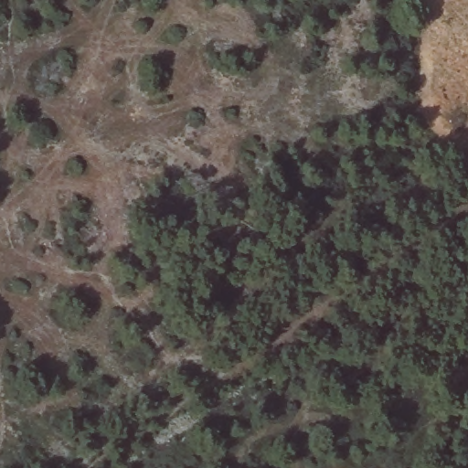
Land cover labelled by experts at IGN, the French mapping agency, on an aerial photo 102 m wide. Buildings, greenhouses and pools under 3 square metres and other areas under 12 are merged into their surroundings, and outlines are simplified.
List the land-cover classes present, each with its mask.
<instances>
[{"label":"coniferous trees","instance_id":"1","mask_svg":"<svg viewBox=\"0 0 468 468\"><path fill-rule=\"evenodd\" d=\"M101 0H0V40H7L9 18L24 24L27 37H37L38 33H53L58 27L69 26L73 22L75 7H82V11L88 13L95 9V5ZM241 7L249 13L250 20L254 22L258 37L265 33V24H272L282 33L296 29L305 31L311 51L303 58L302 73H309L327 64V33L333 27L340 26L342 15L351 13L360 0H239ZM444 0H367L375 18L378 46L377 51L356 49L353 53L355 75L362 79L391 77L399 86L395 91H391L389 97L382 99L377 106L358 110L353 115H338L331 121L316 122L318 128H322L324 132L325 143H318L313 152H307L305 139L302 137L294 143V154L282 150L274 152V163L265 170V179H258L254 185H245L243 175H227L219 181L214 166L197 168L192 163H183L179 168L168 166L163 172L168 177V185L159 186V196L144 197L143 205H139L128 216V243L115 250V256L124 265H132L133 276L143 274L144 280L154 287V296L148 302V313L161 314L163 318L161 324L155 325L150 333L141 331L135 324L124 325L130 311L119 305L113 307L108 318V346L112 347L113 358L119 362L124 375L141 380L144 386L143 389L135 391L132 400L126 399V395H121L119 406H113L110 411L102 409L99 424L84 422L82 433L90 441V450L102 448L104 444L115 446L110 450L112 453L108 461H104L99 468H205L201 455L196 453V448L188 446L177 435L165 444L155 442V437L161 435V430L168 426L170 420L181 415H190L197 424L207 417V413L199 395L186 388L185 375H179L181 364H168L163 358V353L179 351L185 346L183 336H194L197 331L205 335L207 340H212L214 322L219 314L223 313L229 318L227 333L221 338L219 346L212 349V353H225L230 362L249 360L250 355L263 356V373L271 375L272 380L276 377L294 375L305 378V384L313 388L316 408L327 409L335 415L346 417L349 420V433L356 439L369 441L366 444L369 453L377 452L378 446H395L397 431L413 430L419 408L415 400L406 399L402 393H424L426 402L422 404V408H426L431 417L437 420L435 426V431L444 441V446H437L439 457L431 468H468V126H457L448 135H437L433 132V121L439 115V108L422 106L420 102V88L424 86V75L420 73L422 31L441 16ZM13 139L5 132L4 119L0 112V163L2 154L9 148ZM11 175L0 168V205L9 194ZM93 201L90 197L75 194L68 207L60 208L64 238L57 239L55 236L53 219L46 221L44 236L51 239V243L62 256L68 258L71 269L90 271L97 261L102 260L104 254L101 250H88L97 239L86 234ZM101 309V294L86 285H60L57 292L49 298V316L53 324L62 327L64 331L82 335L91 318ZM27 369L35 371L31 377V384L42 399L48 397L51 388H58L60 393L75 389L84 393L82 406L97 408V400L110 397L112 388L119 384V378L112 375L101 377L95 371L97 358L91 355L90 351L77 349L75 355L69 356L66 362L51 355H40L37 360H29L26 364Z\"/></svg>","mask_w":468,"mask_h":468},{"label":"herbaceous vegetation","instance_id":"2","mask_svg":"<svg viewBox=\"0 0 468 468\"><path fill-rule=\"evenodd\" d=\"M117 0H101L95 5V9L88 13L82 11V7H75L73 22L69 26L58 27L53 33H38L37 37H27L24 24L9 18L7 40H0V112L4 119L9 117V112L15 108L16 117L29 122L24 128V133L13 139L9 148L2 154L0 163V168L11 175L9 194L0 205V448L5 439V431L11 437H18L20 433H31L53 455L66 457L69 461L80 459L86 468H99L104 461H108L112 453L110 450L115 446L104 444L102 448L90 450V441L82 433L84 422L99 424L102 409L110 411L113 406H119L121 395H126V399L132 400L135 391L143 389L144 386L141 380L124 375L119 362L113 358L112 347L108 346V318L113 307L119 305L130 311L124 325L135 324L141 331L150 333L155 325L161 324L163 318L161 314L148 313V302L154 296V287L144 280L143 274L133 276L132 265H124L115 256V250L128 243V216L139 205H143L144 197L159 196V186L168 185V177L163 172L168 166L179 168L183 163H192L197 168L214 166L219 181L227 175H243L245 185H254L258 179H265V170L274 163V152L282 150L294 154V143L302 137L305 139L307 152H313L318 143H325L324 132L322 128H318L316 122L331 121L338 115H353L358 110L377 106L382 99L389 97L391 91H395L399 86L391 77L362 79L355 75L353 53L356 49L377 51L378 46L375 18L367 0H360L351 13L342 15L340 26L333 27L327 33V64L309 73H302L303 58L311 51L305 31L296 29L282 33L272 24H265V33L258 37L254 22L250 20L249 13L241 7L239 0H168L165 9L155 15L154 26L150 27V31L143 33L141 29L133 26V22L137 20V9L128 7L124 13L113 11ZM175 24L186 26L185 40H181L179 44L159 42L166 27ZM208 42L214 44L218 51H225L236 44L254 48H260L263 44L267 48V57L261 62L260 68L254 71L238 68V75H225L218 69L207 68L210 58L207 53ZM57 46H71L77 49L79 66L75 71V77H62L66 88L60 95L46 97L40 102L22 97L26 93L27 73L31 64L40 55ZM146 55H152L155 88H168L174 95V101L148 106V93L139 88V62ZM31 122L48 128L49 135L55 141L46 144L44 148H31L27 144ZM75 155H84L88 161V174L77 179L64 175V163ZM75 194L90 197L93 201L86 234L97 239L88 250H101L104 254L102 260L97 261L90 271L71 269L68 258L62 256L51 243V239L44 236L46 221L53 219L55 236L57 239L64 238L60 208L68 207ZM22 212H29L37 219V229L33 232L18 227V216ZM60 285H86L101 294V309L91 318L82 335L64 331L62 327L53 324L49 316V298L57 292ZM77 349L90 351L91 355L97 358L95 371L101 377L112 375L119 378V384L112 388L110 397L97 400V408L82 406L84 393L75 389L60 393L58 388H51L48 397L42 399L31 384V377L35 371L27 369L26 364L29 360H37L40 355H51L66 362L69 356L75 355ZM229 318L223 313L219 314L214 322L212 340H207L205 335L197 331L194 336H183L185 346L179 351L163 353V358L168 364H181L186 360L196 362L203 371H212L219 378L239 375L241 384L238 388L221 391L219 399H238L245 389L272 380L271 375L263 373V356L250 355L249 360L230 362L225 353H212V349L219 346L221 338L227 333ZM197 424L190 415H181L170 420L168 426L161 430V435L155 437V442L165 444L177 435ZM437 446H444V441L435 431V426L426 430V439L420 444L419 453L411 457L408 468H431L439 457Z\"/></svg>","mask_w":468,"mask_h":468},{"label":"brushwood","instance_id":"3","mask_svg":"<svg viewBox=\"0 0 468 468\"><path fill-rule=\"evenodd\" d=\"M168 0H117L113 11L124 13L128 7L137 9V20L133 22V26L141 29L143 33L150 31V27L154 26L155 15L165 9ZM186 26L175 24L166 27L159 42L179 44L181 40H185ZM207 53L210 58L207 68L218 69L225 75H238V68L254 71L260 68L261 62L267 57V48L263 44L260 48H254L236 44L225 51H218L214 44L208 42ZM79 66L77 49L71 46H57L40 55L31 64L27 73L26 93L22 97L40 102L46 97L60 95L66 88L62 77H75V71ZM152 55H146L139 62V88L148 93V106L174 101V95L168 88H155ZM29 122L16 117L15 108L9 112V117L4 119L5 132L13 139L24 133V128ZM55 141L49 135L48 128L31 122L27 144L31 148H44L46 144ZM88 174V161L84 155H75L64 163V175L77 179ZM37 219L29 212H22L18 216V227L33 232L37 229ZM179 375H185L186 388L199 395L207 413V417L197 424L177 435L188 446L196 448V453L201 455L205 468H408L411 457L419 453L420 444L426 439V430L435 426L437 420L431 417L426 408H422V404L426 402L424 393H402L406 399L415 400L419 408L413 430L397 431L395 446H378L377 452L369 453L366 444L369 441L356 439L349 433V420L346 417L335 415L327 409L316 408L313 388L305 384V378L294 375L276 377L272 380L245 389L238 399H219L221 391L238 388L241 384L239 375L219 378L212 371H203L196 362L186 360L181 364ZM0 468H86L80 459L69 461L66 457L53 455L31 433H20L18 437H11L5 431V439L0 448Z\"/></svg>","mask_w":468,"mask_h":468},{"label":"vineyard","instance_id":"4","mask_svg":"<svg viewBox=\"0 0 468 468\"><path fill-rule=\"evenodd\" d=\"M420 73L424 75V86L420 88V102L422 106L439 108V115L433 121V132L437 135H448L457 126H468V0H444L441 16L422 31Z\"/></svg>","mask_w":468,"mask_h":468}]
</instances>
